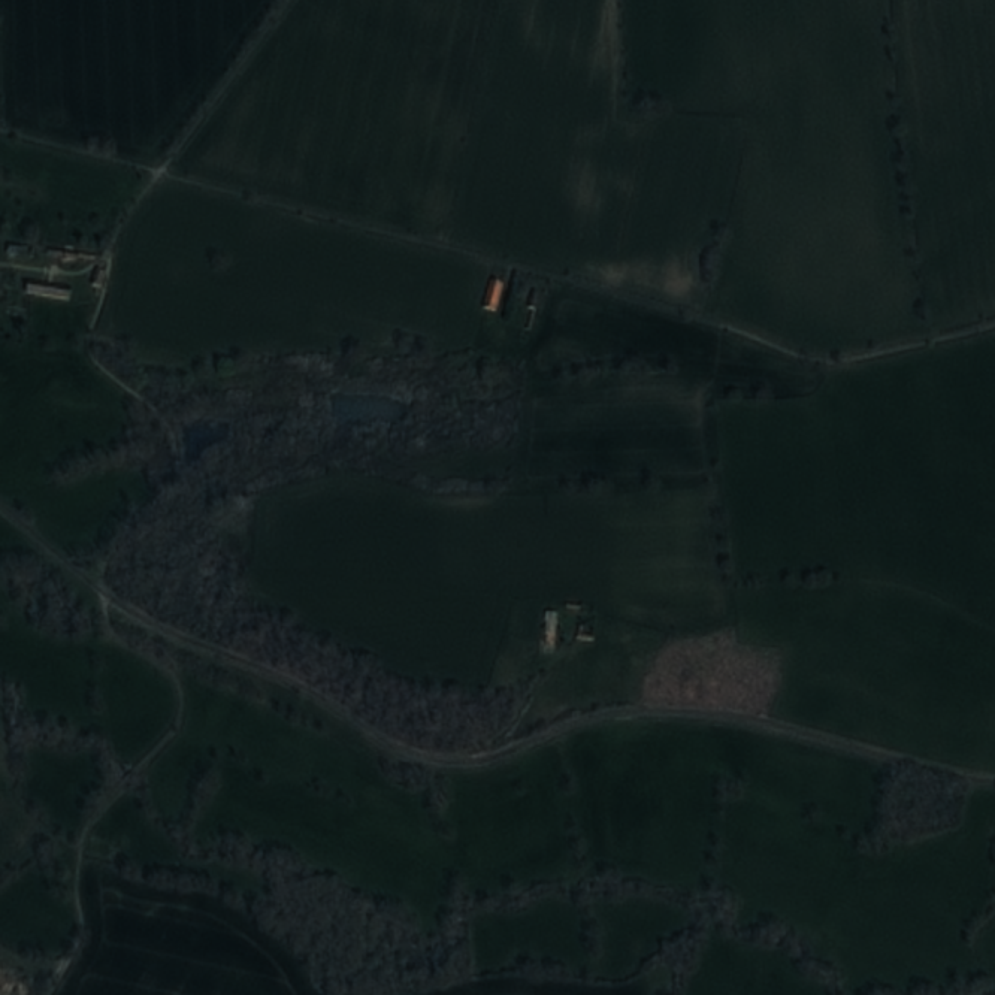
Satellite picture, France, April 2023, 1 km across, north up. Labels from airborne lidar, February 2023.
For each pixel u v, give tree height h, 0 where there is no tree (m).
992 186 0
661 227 0
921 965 0
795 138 0
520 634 0
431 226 0
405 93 0
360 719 21
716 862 15
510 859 0
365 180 0
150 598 7
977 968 0
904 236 0
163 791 0
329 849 0
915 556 0
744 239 0
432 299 0
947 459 0
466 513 0
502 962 0
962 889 0
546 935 0
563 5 0
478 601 0
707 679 0
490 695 10
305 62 0
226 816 0
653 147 0
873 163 0
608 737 0
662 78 0
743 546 0
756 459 0
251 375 0
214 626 17
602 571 0
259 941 0
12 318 0
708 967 0
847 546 0
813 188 0
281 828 0
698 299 0
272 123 0
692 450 0
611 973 0
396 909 22
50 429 0
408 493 0
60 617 24
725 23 0
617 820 0
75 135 0
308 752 0
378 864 0
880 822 15
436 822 14
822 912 0
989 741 0
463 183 0
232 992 0
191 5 0
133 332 0
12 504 0
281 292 0
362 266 0
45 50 0
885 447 0
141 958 0
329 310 0
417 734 20
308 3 0
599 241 0
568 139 0
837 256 0
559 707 0
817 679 0
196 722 0
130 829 0
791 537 0
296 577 0
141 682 0
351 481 0
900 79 0
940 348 0
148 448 16
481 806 0
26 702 0
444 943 10
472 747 13
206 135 0
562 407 0
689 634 0
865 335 0
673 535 0
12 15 0
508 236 0
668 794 0
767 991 0
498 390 7
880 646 0
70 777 0
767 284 0
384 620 0
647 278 0
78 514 0
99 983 0
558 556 0
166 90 0
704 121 0
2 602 0
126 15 0
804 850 0
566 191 0
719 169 0
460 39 0
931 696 0
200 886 21
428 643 0
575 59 0
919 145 0
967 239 0
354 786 0
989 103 0
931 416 0
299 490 0
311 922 20
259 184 0
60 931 0
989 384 0
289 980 0
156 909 0
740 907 21
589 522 0
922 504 0
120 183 0
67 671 0
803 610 0
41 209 0
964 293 0
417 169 0
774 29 0
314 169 0
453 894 22
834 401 0
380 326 0
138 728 0
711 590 0
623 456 0
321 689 16
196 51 0
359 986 23
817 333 0
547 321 0
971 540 0
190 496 15
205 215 0
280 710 17
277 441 20
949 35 0
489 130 0
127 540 15
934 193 0
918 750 0
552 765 0
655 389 0
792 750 0
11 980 9
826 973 15
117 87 0
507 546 0
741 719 0
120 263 0
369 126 0
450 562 0
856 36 0
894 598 0
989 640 0
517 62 0
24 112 0
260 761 0
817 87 0
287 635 21
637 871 0
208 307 0
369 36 0
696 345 0
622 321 0
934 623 0
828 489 0
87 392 0
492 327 0
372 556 0
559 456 0
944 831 17
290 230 0
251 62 0
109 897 0
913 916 0
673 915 0
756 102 0
